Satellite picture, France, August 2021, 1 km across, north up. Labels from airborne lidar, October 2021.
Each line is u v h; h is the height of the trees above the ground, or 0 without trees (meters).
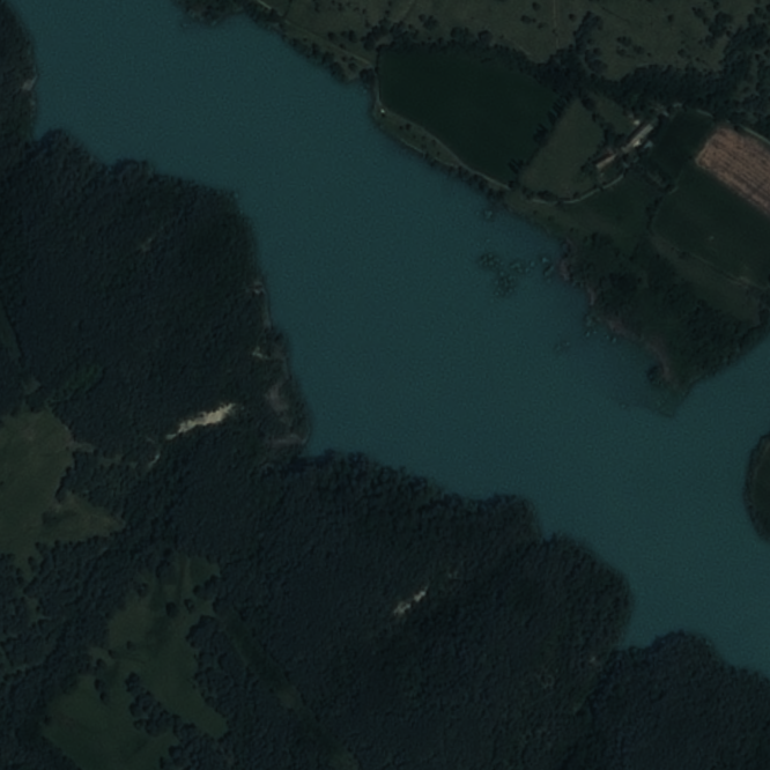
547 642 14
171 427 12
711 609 0
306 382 0
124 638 0
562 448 0
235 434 17
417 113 0
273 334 11
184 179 9
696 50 0
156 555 10
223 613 14
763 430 0
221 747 7
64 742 0
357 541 15
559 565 17
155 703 15
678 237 0
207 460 18
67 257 12
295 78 0
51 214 10
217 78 0
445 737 11
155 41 0
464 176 11
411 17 0
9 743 23
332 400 0
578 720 19
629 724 8
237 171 0
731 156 0
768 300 11
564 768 21
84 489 11
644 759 14
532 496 0
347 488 19
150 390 16
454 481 0
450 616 19
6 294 14
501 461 0
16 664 10
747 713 17
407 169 0
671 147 0
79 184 13
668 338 0
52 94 0
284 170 0
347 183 0
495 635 11
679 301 7
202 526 14
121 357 16
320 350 0
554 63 14
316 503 19
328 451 0
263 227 0
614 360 0
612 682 20
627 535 0
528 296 0
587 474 0
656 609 0
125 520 9
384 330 0
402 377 0
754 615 0
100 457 15
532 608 14
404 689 16
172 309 11
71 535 0
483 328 0
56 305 18
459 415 0
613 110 0
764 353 0
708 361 7
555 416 0
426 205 0
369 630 14
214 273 12
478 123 0
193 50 0
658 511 0
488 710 10
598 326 0
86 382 9
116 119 0
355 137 0
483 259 8
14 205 23
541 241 0
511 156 0
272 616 17
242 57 0
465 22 0
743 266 0
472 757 17
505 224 0
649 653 13
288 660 15
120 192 8
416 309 0
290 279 0
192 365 14
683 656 17
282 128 0
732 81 9
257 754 14
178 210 9
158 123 0
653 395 0
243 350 10
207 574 0
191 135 0
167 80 0
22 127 19
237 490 16
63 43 0
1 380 16
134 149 0
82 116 0
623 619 7
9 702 13
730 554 0
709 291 0
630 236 0
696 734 17
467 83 0
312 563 19
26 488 0
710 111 15
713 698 21
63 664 18
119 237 10
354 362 0
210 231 15
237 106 0
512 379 0
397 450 0
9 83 13
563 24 0
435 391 0
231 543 16
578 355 0
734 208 0
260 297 12
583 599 14
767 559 0
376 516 24
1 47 14
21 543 0
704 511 0
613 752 9
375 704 21
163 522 13
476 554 11
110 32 0
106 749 0
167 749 0
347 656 17
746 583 0
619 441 0
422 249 0
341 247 0
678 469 0
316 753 16
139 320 13
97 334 16
